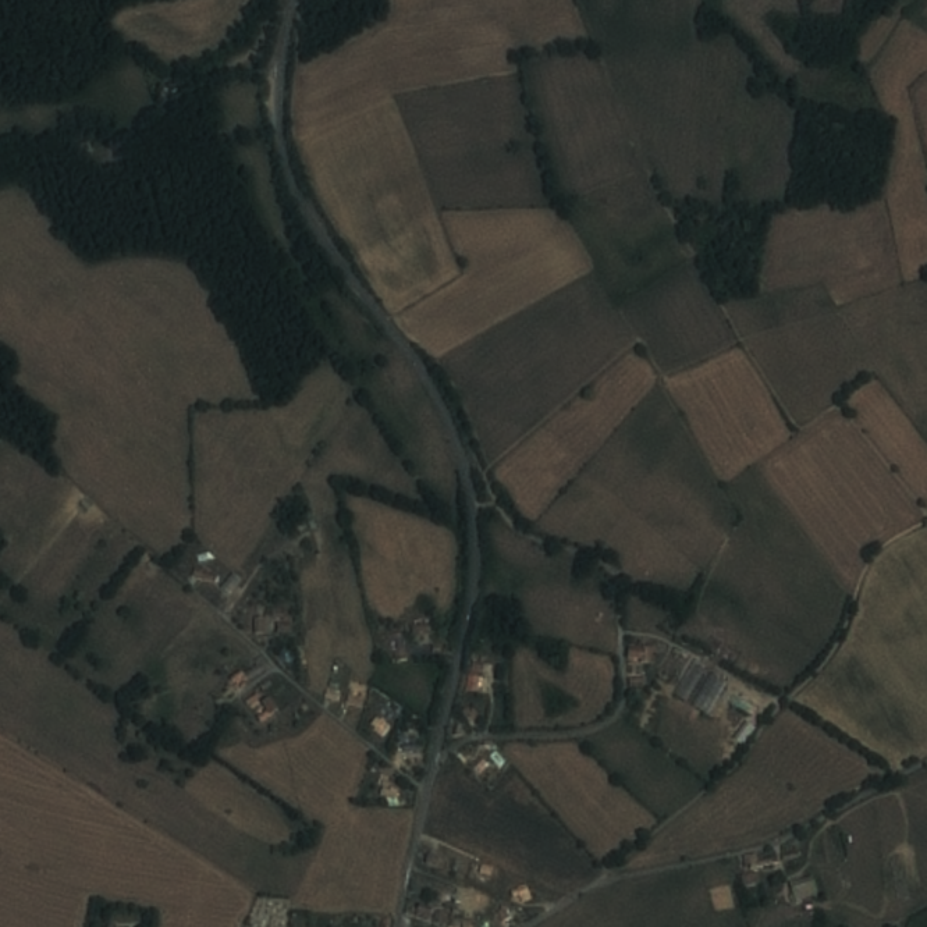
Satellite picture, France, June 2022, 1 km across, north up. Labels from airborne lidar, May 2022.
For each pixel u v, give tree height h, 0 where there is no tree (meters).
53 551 0
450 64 0
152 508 0
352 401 9
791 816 0
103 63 25
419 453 0
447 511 22
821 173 12
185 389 0
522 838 0
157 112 22
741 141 0
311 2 18
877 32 0
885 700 0
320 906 0
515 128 0
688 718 0
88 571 0
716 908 0
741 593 0
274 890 0
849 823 0
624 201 0
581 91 0
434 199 0
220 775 0
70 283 0
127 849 0
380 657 8
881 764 12
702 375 0
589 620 0
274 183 11
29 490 0
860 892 0
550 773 0
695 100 0
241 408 9
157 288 0
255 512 0
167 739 15
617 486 0
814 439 0
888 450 0
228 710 15
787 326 0
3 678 0
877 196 13
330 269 19
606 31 0
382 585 0
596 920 0
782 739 0
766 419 0
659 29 0
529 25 0
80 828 0
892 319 0
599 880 0
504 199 0
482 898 0
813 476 0
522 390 0
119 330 0
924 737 0
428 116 0
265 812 0
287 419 0
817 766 0
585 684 0
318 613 0
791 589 0
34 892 0
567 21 0
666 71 0
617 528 0
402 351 0
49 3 15
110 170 23
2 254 0
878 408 0
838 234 0
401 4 0
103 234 18
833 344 0
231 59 0
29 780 0
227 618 0
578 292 0
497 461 0
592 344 0
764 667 0
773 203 12
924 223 0
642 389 0
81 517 0
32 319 0
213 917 0
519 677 0
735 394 0
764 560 0
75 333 0
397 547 0
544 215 0
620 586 20
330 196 0
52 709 0
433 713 10
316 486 0
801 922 0
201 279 10
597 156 0
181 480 0
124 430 0
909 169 0
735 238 13
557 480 0
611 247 0
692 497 0
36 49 17
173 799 0
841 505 0
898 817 0
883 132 14
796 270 0
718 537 0
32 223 0
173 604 0
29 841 0
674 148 0
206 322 0
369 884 0
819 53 15
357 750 0
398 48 0
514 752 0
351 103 0
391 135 0
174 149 25
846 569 0
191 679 0
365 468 0
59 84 17
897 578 0
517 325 0
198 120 23
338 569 0
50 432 17
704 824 0
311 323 26
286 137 8
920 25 0
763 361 0
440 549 0
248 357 11
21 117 0
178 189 13
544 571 0
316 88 0
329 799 0
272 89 0
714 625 0
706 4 13
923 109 0
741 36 14
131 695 21
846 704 0
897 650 0
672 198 12
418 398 0
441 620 12
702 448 0
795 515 0
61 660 15
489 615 8
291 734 0
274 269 21
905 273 0
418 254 0
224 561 0
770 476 0
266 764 0
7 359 21
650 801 0
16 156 16
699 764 0
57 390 0
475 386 0
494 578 0
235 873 0
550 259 0
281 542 0
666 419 0
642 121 0
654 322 0
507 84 0
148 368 0
